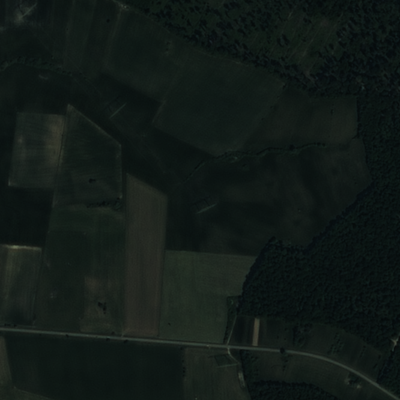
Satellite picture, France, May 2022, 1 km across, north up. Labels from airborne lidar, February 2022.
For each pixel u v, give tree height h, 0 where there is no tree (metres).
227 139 0
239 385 0
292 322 11
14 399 0
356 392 0
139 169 0
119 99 0
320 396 17
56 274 0
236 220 0
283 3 26
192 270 0
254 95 0
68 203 0
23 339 0
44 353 0
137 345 0
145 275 0
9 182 0
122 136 0
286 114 0
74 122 0
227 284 0
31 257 0
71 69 0
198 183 0
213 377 0
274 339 0
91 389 0
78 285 0
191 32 0
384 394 0
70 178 0
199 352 0
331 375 0
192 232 0
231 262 0
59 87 0
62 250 0
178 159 0
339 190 0
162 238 0
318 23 0
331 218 0
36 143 0
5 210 0
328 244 23
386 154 25
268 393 23
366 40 34
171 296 0
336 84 21
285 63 25
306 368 0
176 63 0
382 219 25
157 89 0
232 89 0
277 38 0
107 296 0
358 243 23
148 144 0
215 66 0
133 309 0
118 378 0
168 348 0
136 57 0
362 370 0
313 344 0
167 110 0
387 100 25
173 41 0
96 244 0
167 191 0
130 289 0
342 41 29
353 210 18
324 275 23
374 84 27
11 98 0
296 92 0
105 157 0
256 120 0
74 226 0
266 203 0
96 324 0
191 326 0
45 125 0
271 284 23
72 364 0
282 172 0
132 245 0
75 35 0
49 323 0
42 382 0
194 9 0
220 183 0
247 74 0
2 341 0
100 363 0
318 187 0
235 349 0
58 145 0
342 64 11
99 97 0
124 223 0
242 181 0
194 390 0
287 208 0
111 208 0
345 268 17
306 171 0
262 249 0
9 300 0
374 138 25
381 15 31
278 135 0
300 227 0
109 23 8
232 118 0
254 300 23
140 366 0
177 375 0
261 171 0
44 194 0
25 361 0
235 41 0
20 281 0
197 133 0
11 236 0
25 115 0
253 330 0
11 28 0
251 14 0
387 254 24
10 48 0
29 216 0
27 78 0
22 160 0
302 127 0
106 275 0
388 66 34
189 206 0
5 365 0
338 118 0
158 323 0
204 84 0
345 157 0
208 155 0
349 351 0
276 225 0
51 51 0
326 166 0
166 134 0
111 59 0
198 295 0
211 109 0
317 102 0
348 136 0
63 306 0
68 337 12
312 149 0
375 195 24
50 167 0
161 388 0
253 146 0
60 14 0
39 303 0
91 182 11
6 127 0
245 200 0
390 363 18
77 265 0
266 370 0
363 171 0
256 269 20
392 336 24
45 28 0
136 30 0
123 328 0
